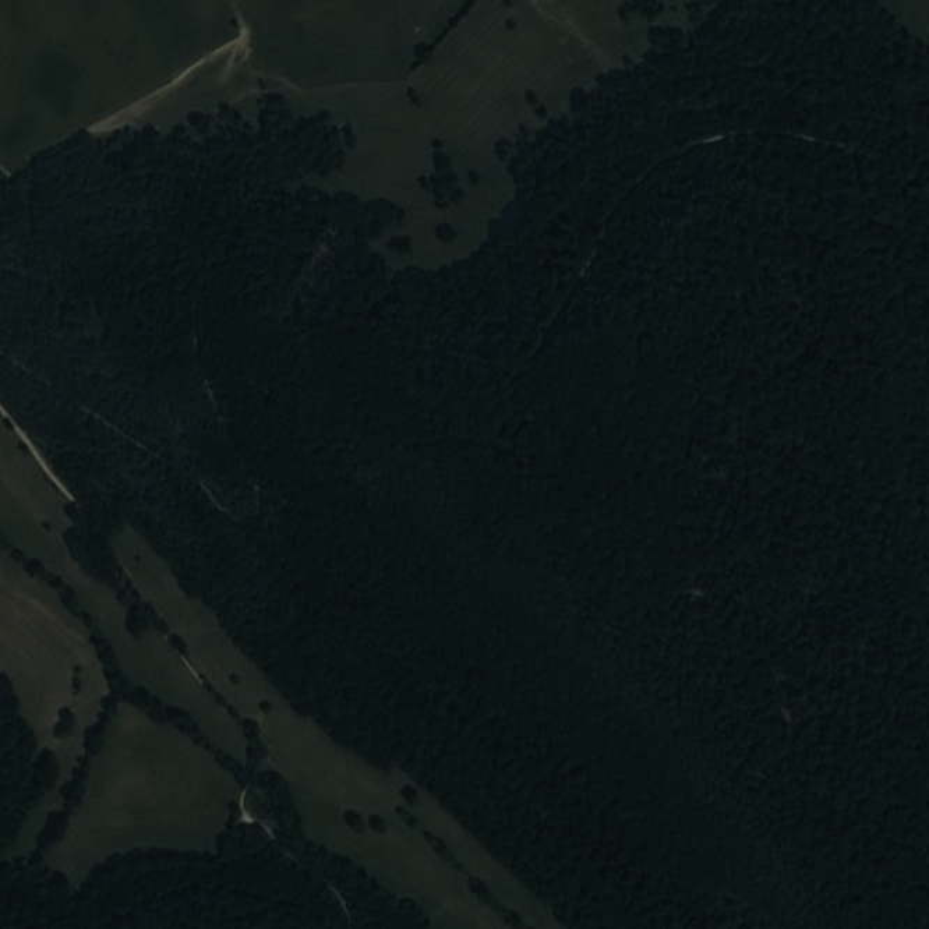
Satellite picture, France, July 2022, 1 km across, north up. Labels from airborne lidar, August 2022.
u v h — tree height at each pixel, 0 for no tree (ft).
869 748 53
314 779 0
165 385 60
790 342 81
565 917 79
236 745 0
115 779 0
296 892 39
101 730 45
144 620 66
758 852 43
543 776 77
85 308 39
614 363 79
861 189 90
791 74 87
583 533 73
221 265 48
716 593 93
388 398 76
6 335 56
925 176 107
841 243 79
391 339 105
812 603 56
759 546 97
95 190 54
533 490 79
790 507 74
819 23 89
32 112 0
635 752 67
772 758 66
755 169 31
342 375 79
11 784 62
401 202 0
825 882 51
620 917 70
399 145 0
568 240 95
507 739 62
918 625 77
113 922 46
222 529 59
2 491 0
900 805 82
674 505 93
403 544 44
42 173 63
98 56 0
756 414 76
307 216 71
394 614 62
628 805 84
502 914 36
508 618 58
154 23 0
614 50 0
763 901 43
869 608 57
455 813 82
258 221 75
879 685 84
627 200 32
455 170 72
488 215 0
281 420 50
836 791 77
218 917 79
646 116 76
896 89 87
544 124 0
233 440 46
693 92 102
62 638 0
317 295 81
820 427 90
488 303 42
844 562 94
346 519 51
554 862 74
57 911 24
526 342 86
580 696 68
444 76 0
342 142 38
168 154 54
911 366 87
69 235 64
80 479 34
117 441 24
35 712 0
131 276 59
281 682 58
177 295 55
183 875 50
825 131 28
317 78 0
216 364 56
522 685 78
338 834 0
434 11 0
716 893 49
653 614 64
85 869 0
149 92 0
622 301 75
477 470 75
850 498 67
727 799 42
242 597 56
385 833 21
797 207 96
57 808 0
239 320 38
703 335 79
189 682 0
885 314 82
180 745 0
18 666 0
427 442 62
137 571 0
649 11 57
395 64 0
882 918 66
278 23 0
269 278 81
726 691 63
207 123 50
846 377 88
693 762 46
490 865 0
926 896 80
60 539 0
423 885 0
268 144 50
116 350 44
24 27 0
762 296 93
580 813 90
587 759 96
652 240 24
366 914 37
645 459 88
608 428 91
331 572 59
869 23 96
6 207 51
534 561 59
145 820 0
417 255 0
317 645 53
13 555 51
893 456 77
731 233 89
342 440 47
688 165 25
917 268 105
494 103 0
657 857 85
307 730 0
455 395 84
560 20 0
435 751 78
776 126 33
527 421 96
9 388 53
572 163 110
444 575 61
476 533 48
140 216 57
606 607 66
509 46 0
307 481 60
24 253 26
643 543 85
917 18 0
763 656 72
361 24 0
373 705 59
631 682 35
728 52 83
